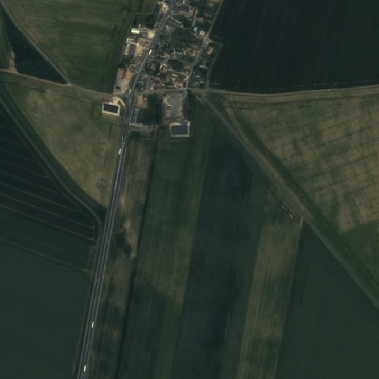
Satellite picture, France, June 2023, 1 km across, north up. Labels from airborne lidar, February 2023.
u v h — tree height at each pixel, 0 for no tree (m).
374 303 0
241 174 0
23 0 0
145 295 0
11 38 10
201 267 0
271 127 0
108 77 0
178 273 0
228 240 0
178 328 0
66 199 0
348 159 0
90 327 0
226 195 0
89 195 0
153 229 0
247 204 0
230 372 0
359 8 0
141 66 0
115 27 0
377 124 0
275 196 0
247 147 0
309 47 0
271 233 0
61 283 0
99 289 0
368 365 0
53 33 0
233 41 0
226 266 0
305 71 0
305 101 0
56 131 0
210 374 0
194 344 0
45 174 0
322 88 0
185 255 0
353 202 0
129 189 0
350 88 0
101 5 0
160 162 0
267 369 0
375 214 0
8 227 0
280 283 0
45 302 0
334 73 0
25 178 0
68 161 0
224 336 0
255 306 0
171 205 0
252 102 0
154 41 0
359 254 0
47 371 0
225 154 0
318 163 0
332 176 0
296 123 0
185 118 0
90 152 0
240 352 0
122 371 0
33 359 0
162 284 0
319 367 0
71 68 0
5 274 0
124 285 0
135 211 0
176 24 0
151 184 0
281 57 0
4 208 0
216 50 0
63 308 0
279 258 0
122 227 0
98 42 0
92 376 0
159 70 13
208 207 0
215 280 0
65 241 0
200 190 0
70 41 0
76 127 0
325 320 0
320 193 0
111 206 0
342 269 0
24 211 0
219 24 0
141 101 0
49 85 0
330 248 0
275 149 0
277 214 0
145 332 0
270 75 0
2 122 0
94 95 0
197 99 0
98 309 0
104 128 0
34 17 0
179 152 0
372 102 0
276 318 0
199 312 0
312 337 0
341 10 0
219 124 0
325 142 0
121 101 0
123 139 0
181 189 0
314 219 0
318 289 0
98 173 0
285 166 0
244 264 0
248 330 0
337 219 0
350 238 0
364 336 0
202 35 0
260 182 0
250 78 0
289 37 0
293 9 0
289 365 0
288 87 0
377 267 0
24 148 0
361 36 0
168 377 0
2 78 0
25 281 0
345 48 0
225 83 0
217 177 0
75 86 0
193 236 0
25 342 0
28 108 0
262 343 0
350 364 0
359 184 0
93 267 0
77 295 0
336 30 0
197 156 0
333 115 0
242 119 0
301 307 0
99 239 0
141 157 0
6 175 0
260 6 0
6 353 0
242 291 0
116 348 0
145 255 0
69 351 0
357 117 0
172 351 0
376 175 0
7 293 0
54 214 0
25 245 0
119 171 0
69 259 0
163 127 0
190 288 0
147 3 0
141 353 0
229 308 0
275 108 0
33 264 0
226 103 0
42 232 0
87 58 0
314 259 0
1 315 0
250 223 0
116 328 0
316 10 0
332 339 0
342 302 0
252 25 0
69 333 0
